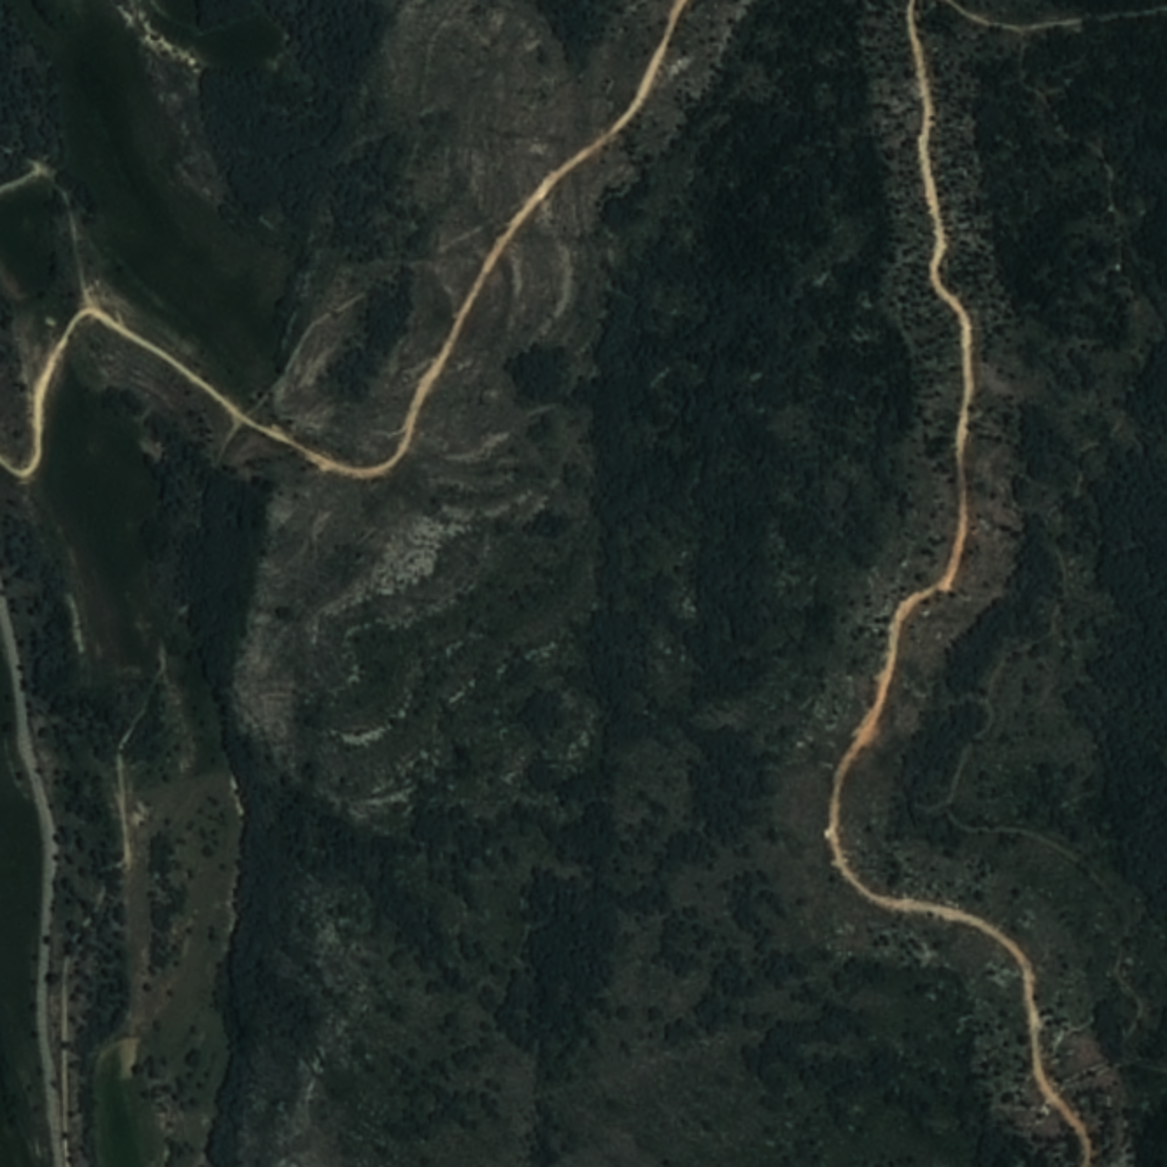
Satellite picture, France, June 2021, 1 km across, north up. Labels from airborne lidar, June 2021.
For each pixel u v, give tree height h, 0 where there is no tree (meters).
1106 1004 9
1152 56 7
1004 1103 11
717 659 10
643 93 0
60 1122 0
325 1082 0
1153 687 11
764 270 7
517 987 9
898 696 0
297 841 6
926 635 0
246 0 11
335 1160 0
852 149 7
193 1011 0
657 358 9
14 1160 0
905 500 7
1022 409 10
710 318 12
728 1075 0
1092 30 8
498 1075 0
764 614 6
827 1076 7
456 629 0
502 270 0
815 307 7
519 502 0
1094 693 8
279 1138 0
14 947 0
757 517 7
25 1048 0
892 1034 0
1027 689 8
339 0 10
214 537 16
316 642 0
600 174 0
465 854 6
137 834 0
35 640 11
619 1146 0
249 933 11
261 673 0
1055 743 0
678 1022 7
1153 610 13
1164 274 7
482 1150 0
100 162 0
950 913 0
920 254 0
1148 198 7
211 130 6
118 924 12
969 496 0
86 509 0
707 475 10
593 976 8
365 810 0
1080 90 7
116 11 0
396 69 0
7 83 15
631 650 7
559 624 0
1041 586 9
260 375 0
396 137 7
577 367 0
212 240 0
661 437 7
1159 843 9
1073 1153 9
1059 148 8
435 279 0
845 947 0
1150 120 11
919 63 0
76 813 6
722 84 6
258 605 0
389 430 0
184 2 0
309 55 7
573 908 12
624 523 8
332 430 0
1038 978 0
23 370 0
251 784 10
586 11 6
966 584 0
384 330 9
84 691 7
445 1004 0
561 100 0
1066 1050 0
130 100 0
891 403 7
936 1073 6
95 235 0
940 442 9
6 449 0
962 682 8
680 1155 0
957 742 8
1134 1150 9
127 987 14
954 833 6
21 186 0
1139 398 11
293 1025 7
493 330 0
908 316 0
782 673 0
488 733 0
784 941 0
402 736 0
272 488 6
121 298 0
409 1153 0
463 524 0
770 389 10
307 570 0
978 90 7
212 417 0
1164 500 10
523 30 0
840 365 11
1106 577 11
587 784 10
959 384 0
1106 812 8
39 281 0
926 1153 0
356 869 7
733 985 11
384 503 0
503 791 0
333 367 6
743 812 12
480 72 0
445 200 0
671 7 0
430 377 0
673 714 8
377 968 0
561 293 0
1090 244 7
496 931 0
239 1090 10
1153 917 7
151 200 0
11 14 6
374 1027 0
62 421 0
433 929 8
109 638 0
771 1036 11
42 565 8
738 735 6
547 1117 7
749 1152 0
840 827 0
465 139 0
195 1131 0
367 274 0
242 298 0
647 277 9
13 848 0
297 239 7
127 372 0
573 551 0
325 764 0
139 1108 0
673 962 6
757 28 8
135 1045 0
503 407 0
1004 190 9
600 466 7
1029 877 0
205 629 13
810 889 0
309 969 7
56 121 10
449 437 0
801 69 7
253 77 9
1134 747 9
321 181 10
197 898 0
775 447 9
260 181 9
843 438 6
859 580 0
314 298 0
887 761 0
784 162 8
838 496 0
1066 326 7
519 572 0
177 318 0
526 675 6
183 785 0
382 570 0
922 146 0
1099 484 10
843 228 0
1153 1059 6
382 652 0
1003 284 8
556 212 0
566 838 12
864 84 7
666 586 6
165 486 12
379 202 7
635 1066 0
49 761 0
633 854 7
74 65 0
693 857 7
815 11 9
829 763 0
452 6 0
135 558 0
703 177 8
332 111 6
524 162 0
